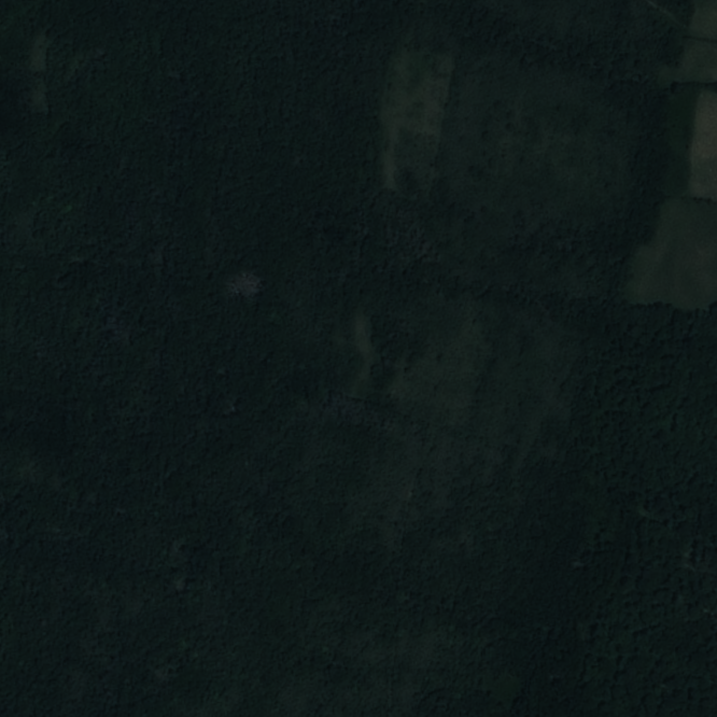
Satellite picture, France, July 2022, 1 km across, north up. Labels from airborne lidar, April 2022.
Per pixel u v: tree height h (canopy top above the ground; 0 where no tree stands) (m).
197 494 15
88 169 17
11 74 6
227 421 18
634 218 16
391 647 7
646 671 21
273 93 15
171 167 14
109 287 16
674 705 27
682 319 20
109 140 14
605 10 6
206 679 16
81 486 11
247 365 20
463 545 8
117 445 16
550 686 23
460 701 16
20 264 12
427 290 14
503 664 14
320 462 8
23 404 18
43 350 13
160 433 15
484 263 7
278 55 15
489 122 8
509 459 9
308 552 16
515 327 8
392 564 9
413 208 7
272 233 16
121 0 11
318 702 8
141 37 16
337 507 12
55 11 15
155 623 10
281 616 16
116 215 18
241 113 9
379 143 6
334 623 7
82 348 10
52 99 11
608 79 12
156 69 17
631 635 10
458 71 6
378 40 8
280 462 7
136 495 13
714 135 0
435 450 9
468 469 8
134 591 6
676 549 25
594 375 12
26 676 11
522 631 14
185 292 21
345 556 12
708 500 12
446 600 14
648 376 20
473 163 6
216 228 6
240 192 15
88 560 14
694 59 0
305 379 19
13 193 11
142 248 15
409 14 14
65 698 7
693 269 0
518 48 19
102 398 16
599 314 22
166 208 12
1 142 6
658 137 19
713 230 0
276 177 12
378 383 8
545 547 11
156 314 18
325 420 5
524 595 17
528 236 6
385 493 7
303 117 11
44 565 12
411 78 0
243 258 10
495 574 9
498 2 6
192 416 12
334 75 13
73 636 7
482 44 12
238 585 9
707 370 18
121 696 13
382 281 12
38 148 18
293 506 8
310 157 13
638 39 7
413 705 7
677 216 0
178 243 12
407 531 7
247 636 11
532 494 12
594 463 19
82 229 8
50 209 8
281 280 10
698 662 23
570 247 17
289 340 7
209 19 21
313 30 18
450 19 7
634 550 20
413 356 9
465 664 8
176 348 17
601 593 17
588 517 10
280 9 16
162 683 13
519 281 7
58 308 10
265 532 20
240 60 12
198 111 20
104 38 16
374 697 7
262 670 13
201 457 15
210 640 8
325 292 9
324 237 8
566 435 6
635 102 16
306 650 11
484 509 11
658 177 16
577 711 24
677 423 15
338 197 13
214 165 17
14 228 12
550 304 18
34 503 16
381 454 9
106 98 15
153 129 17
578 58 21
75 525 11
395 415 9
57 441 20
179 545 17
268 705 8
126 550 7
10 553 17
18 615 6
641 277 0
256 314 16
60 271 17
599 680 10
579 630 21
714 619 17
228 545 15
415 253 14
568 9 6
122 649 7
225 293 19
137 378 15
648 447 16
